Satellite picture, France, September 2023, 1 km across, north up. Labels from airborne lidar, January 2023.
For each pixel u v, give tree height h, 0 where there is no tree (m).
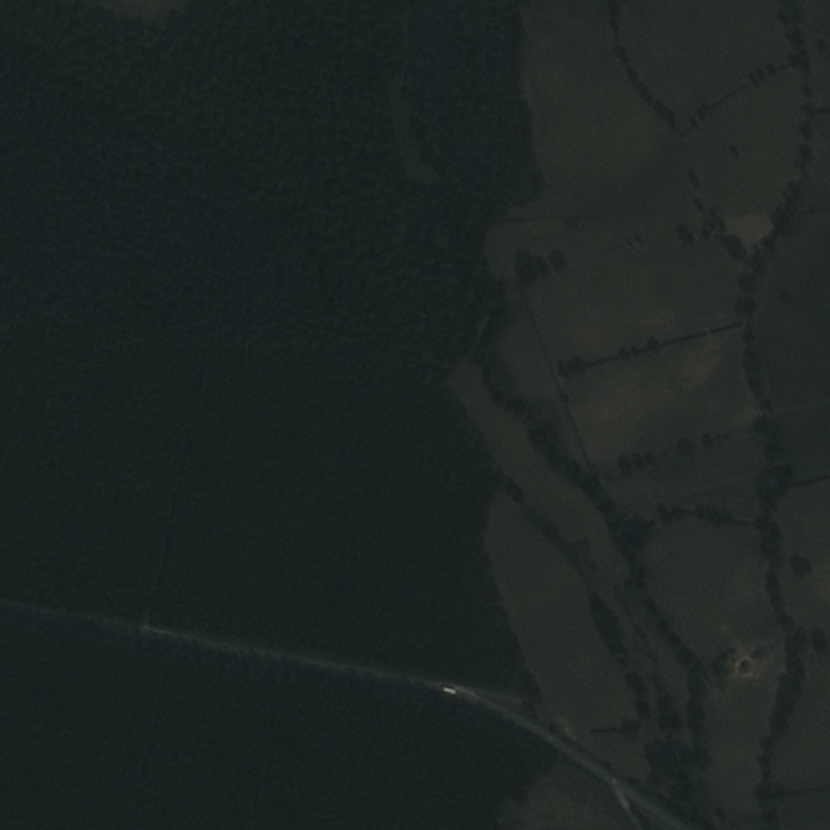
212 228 19
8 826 20
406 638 19
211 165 20
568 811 0
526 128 15
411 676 0
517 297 0
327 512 20
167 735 19
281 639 19
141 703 21
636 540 20
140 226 22
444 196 17
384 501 20
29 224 20
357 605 20
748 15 0
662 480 0
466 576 20
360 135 16
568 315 0
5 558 22
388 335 19
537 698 15
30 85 23
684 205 0
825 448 0
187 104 23
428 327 19
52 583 20
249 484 20
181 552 24
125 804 16
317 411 20
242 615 19
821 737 0
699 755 12
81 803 18
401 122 0
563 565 0
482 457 20
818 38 0
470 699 0
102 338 25
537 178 16
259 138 18
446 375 15
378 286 15
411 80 8
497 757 20
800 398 0
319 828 19
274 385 23
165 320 22
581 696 0
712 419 0
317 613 23
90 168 20
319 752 20
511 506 0
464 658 19
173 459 24
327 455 18
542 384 0
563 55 0
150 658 20
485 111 12
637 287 0
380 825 19
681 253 0
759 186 0
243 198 22
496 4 9
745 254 14
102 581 21
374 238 20
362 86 22
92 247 15
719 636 0
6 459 21
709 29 0
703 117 11
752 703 0
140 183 21
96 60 18
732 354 0
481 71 7
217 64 25
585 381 0
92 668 21
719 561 0
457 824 21
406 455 25
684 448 15
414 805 19
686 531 0
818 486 0
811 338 0
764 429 17
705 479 0
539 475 0
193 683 19
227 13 24
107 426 24
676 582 0
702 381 0
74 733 19
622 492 0
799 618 0
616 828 0
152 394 24
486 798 20
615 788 0
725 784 0
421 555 20
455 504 21
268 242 24
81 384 21
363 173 8
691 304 0
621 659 14
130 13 0
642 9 0
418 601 20
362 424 22
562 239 0
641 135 0
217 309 20
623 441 0
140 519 22
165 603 20
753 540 0
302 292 25
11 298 28
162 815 18
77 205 15
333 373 20
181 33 16
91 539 23
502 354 0
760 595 0
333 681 19
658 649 0
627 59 14
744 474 0
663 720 6
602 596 0
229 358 22
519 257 0
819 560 0
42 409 21
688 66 0
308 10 20
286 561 20
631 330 0
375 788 19
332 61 20
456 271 31
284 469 20
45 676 21
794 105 0
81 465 22
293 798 23
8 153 16
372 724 21
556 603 0
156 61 21
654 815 0
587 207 0
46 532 23
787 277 0
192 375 21
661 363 0
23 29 21
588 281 0
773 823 12
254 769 21
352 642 18
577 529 0
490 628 20
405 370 19
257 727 22
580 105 0
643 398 0
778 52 0
